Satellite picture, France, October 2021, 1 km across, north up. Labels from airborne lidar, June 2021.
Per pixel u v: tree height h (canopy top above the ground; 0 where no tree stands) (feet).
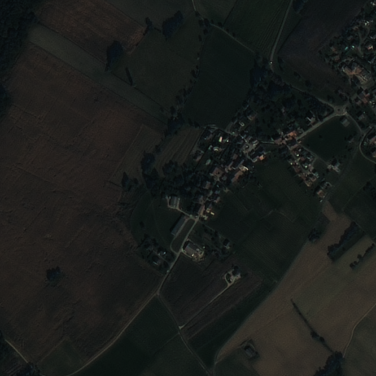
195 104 0
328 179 0
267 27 0
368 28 0
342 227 0
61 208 0
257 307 0
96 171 0
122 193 0
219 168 0
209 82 0
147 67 0
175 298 0
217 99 0
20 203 0
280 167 0
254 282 0
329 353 0
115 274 0
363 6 0
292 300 0
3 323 0
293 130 0
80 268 0
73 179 0
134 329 0
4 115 0
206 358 0
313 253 0
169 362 0
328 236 0
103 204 0
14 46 73
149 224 0
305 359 0
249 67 0
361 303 0
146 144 0
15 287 0
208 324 0
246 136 0
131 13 0
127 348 0
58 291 0
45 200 0
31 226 0
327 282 0
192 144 0
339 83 0
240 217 0
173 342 0
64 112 0
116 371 0
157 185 52
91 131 0
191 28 0
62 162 0
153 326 0
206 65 0
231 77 0
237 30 0
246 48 0
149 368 0
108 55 0
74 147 0
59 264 0
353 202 0
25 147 0
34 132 0
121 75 0
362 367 0
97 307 0
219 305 0
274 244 0
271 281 0
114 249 0
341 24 0
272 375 0
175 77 0
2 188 0
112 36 0
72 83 0
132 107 0
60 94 0
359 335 0
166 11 0
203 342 0
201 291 0
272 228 0
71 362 0
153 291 0
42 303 0
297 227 0
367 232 0
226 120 0
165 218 0
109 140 0
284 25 0
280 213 0
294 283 0
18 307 0
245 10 0
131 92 0
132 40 0
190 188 26
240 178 34
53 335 0
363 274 0
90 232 0
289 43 0
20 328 0
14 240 0
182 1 0
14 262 0
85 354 0
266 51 0
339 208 0
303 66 0
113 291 0
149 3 0
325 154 0
